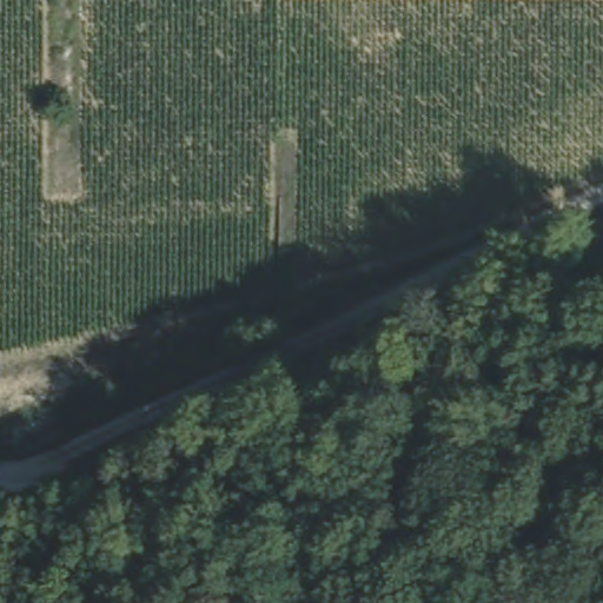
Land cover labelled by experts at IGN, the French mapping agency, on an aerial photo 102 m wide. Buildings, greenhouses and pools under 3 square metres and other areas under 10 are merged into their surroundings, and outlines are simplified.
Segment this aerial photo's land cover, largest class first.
<instances>
[{"label":"deciduous trees","instance_id":"1","mask_svg":"<svg viewBox=\"0 0 603 603\"><path fill-rule=\"evenodd\" d=\"M485 250L466 259L462 266L452 269L445 278H433L429 283L400 287L398 297L384 306L379 330H372L370 334H365L360 344L339 349L327 358V377H316L313 370L306 367L304 375L292 382L280 360H269L247 382L228 379L214 389L188 396L174 407V415L167 424L144 433L137 443L118 445L115 452L106 455L104 459L90 462L82 478H59L54 473L42 471L0 476V603H603V236L594 238L591 214L579 219L558 217L549 224L528 219L516 233L490 228L483 236Z\"/></svg>","mask_w":603,"mask_h":603},{"label":"vineyard","instance_id":"2","mask_svg":"<svg viewBox=\"0 0 603 603\"><path fill-rule=\"evenodd\" d=\"M45 0H0V351L35 346L61 337H75L82 330H90L92 337H106L118 342L122 332H130L134 327V313L146 309L153 299L188 297L200 290L214 287V283L219 280L231 283V278L245 271L247 264L271 257L273 240H269V207H273L276 203V174H269V167H276L278 151L285 141H299L294 240L320 254L327 252L330 238L337 228L346 226L349 231H356L365 226V214L358 210V205L367 196L405 191L410 186L417 191H429L431 186L448 184L452 177H462L459 158L455 153L466 144H473L483 153L502 148L518 165H528L535 172H544L546 177H565L572 167H587L591 158L603 155V0H94V31L90 33L92 52L87 61H82V68H87V87L94 92L97 99H101V104L99 108H90L82 101H71L61 85L47 82V78L52 75L49 42H42V14L38 7ZM45 120L54 125H68V141L80 146L85 198L75 203H54L42 198L40 163Z\"/></svg>","mask_w":603,"mask_h":603},{"label":"herbaceous vegetation","instance_id":"3","mask_svg":"<svg viewBox=\"0 0 603 603\"><path fill-rule=\"evenodd\" d=\"M94 0H45L38 7L42 14V42H49L52 75L47 78V82L61 85L71 101H82L90 108H99L101 104V99H97L94 92L87 87V68H82V61H87L92 52L90 33L94 31ZM68 125H54L45 120L40 163L42 198L54 203H75L85 198L80 146L68 141ZM299 141H285L278 151L276 167H269V174H276V203L273 207H269V240H273L271 257L247 264L245 271L231 278V283L219 280L214 283V287L200 290L188 297L153 299L146 309L134 313V327L130 332H122L118 342L106 337H92L90 330H82L75 337H61L35 346L0 351V476L42 471L54 473L59 478H82L90 462L104 459L106 455L115 452L118 445L137 443L144 433L167 424L174 415V407L188 396L214 389L228 379L247 382L269 360H280L292 382L304 375L306 367L313 370L316 377H327V358L339 349L360 344L365 334H370L372 330H379L384 306L398 297L400 287L429 283L433 278H445L452 269L462 266L466 259L485 250L483 236L490 228L516 233L528 219L549 224L558 217L579 219L591 214L594 238L603 236V155L591 158L587 167H572L565 177H546L544 172H535L528 165H518L502 148L483 153L473 144H466L455 153L459 158L462 177H452L448 184L431 186L429 191H417L410 186L405 191L367 196L358 205V210L365 214V226L356 231H349L346 226L337 228L330 238L327 252L320 254L294 240Z\"/></svg>","mask_w":603,"mask_h":603}]
</instances>
